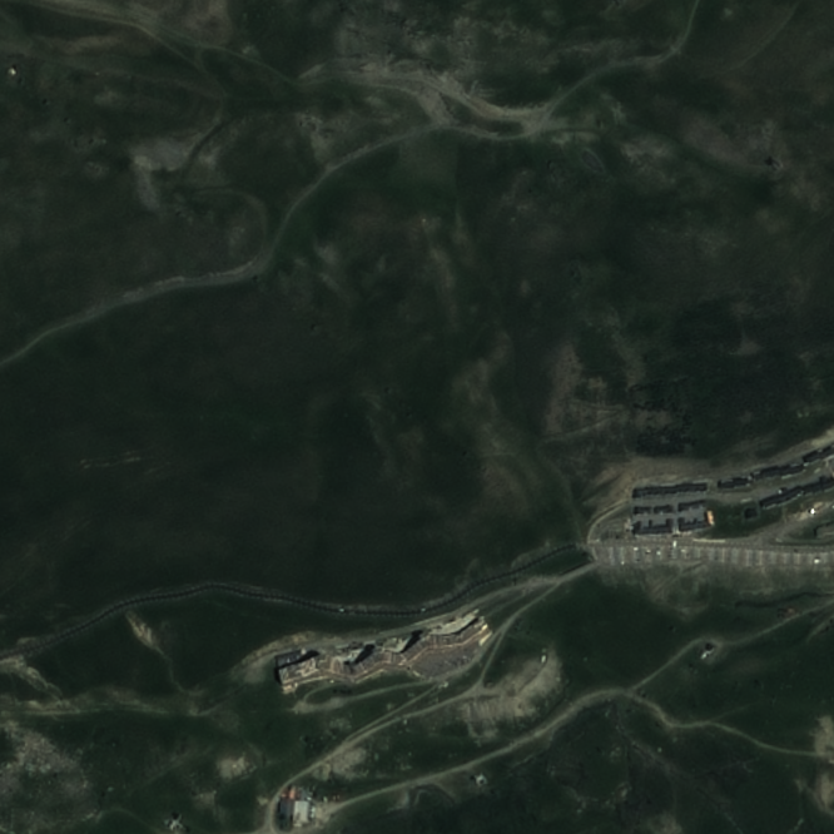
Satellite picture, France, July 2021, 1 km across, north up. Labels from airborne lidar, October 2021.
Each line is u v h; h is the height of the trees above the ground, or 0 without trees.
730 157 0
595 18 0
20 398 0
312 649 0
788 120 0
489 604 0
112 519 0
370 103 0
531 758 0
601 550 0
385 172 0
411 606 0
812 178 0
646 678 0
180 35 0
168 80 0
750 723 0
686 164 0
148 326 0
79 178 0
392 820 0
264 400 0
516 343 0
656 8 0
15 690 0
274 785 0
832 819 0
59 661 0
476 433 0
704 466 0
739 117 0
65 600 0
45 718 0
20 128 0
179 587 0
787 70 0
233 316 0
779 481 0
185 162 0
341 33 0
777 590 0
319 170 0
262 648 0
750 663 0
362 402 0
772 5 0
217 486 0
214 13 0
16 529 0
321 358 0
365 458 0
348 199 0
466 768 0
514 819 0
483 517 0
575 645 0
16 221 0
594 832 0
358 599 0
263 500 0
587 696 0
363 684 0
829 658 0
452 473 0
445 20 0
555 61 0
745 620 0
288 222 0
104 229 0
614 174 0
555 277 0
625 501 0
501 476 0
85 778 0
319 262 0
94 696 0
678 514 0
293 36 0
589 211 0
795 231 0
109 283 0
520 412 0
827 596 0
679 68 0
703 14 0
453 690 0
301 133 0
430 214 0
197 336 0
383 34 0
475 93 0
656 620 0
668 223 0
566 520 0
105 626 0
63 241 0
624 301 0
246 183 0
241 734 0
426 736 0
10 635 0
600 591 0
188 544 0
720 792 0
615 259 0
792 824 0
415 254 0
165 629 0
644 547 0
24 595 0
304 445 0
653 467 0
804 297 0
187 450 0
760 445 0
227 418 0
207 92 0
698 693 0
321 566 0
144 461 0
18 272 0
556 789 0
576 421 0
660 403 7
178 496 0
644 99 0
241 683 0
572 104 0
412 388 0
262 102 0
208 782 0
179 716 0
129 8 0
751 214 0
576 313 0
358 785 0
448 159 0
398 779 0
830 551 0
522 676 0
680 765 0
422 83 0
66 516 0
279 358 0
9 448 0
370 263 0
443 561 0
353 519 0
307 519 0
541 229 0
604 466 0
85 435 0
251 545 0
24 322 0
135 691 0
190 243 0
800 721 0
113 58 0
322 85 0
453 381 0
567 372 0
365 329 0
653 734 0
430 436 0
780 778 0
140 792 0
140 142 0
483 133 0
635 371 0
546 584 0
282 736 0
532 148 0
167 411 0
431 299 0
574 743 0
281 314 0
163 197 0
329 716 0
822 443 0
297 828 0
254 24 0
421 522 0
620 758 0
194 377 0
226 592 0
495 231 0
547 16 0
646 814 0
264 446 0
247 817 0
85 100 0
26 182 0
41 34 0
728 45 0
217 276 0
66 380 0
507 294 0
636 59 0
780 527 0
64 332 0
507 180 0
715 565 0
